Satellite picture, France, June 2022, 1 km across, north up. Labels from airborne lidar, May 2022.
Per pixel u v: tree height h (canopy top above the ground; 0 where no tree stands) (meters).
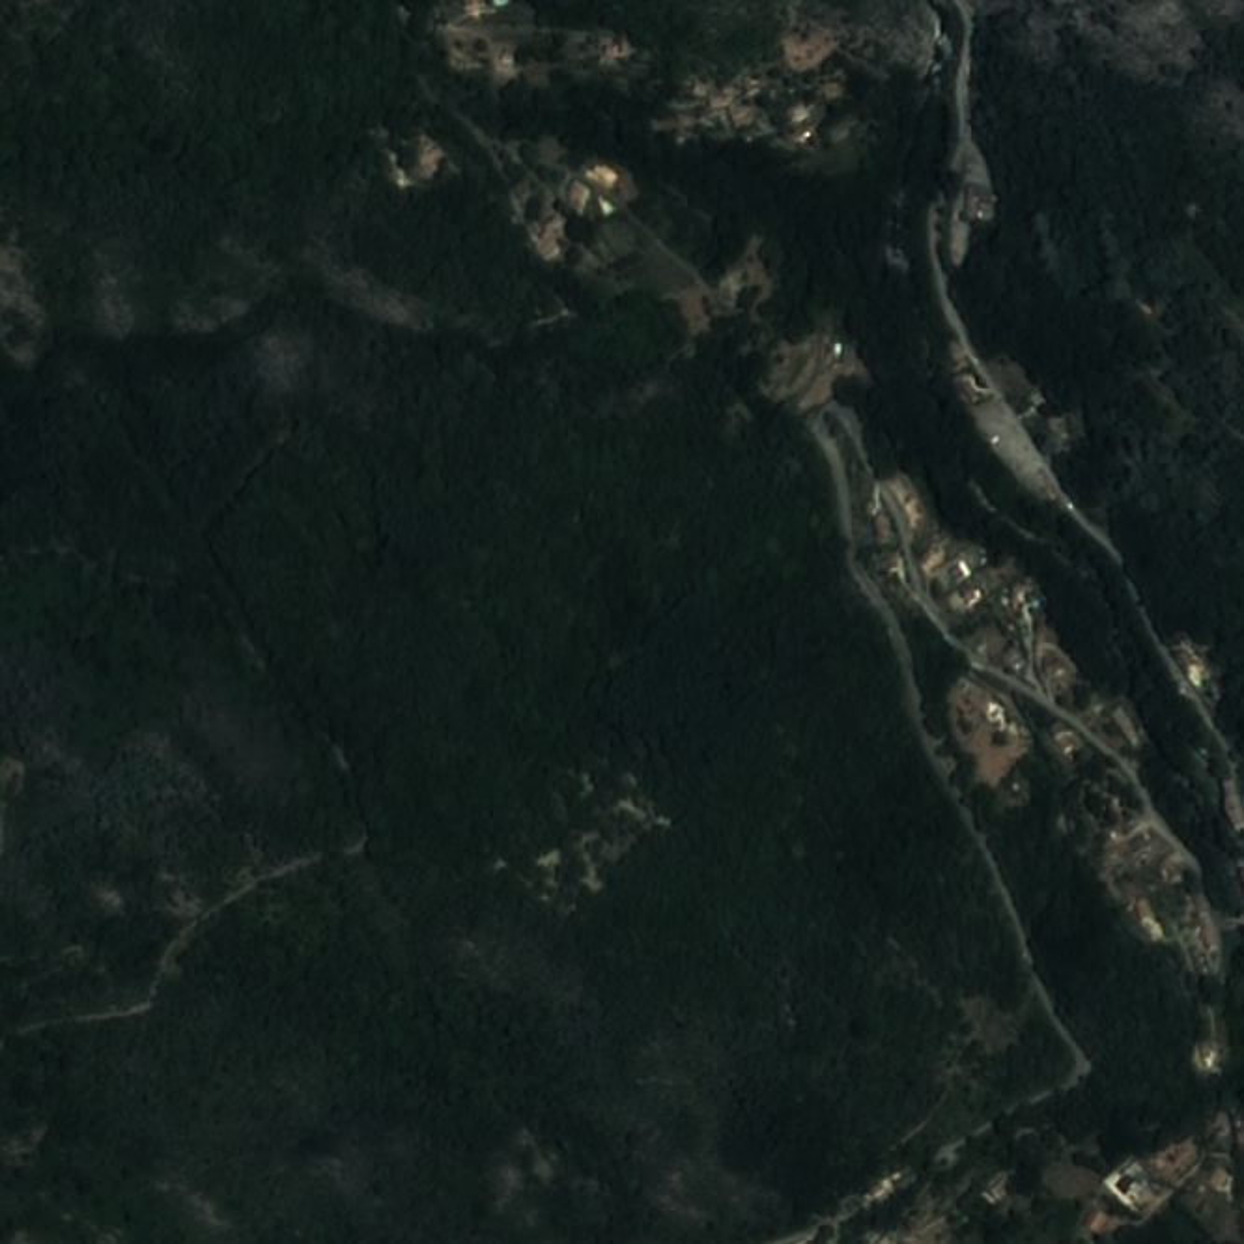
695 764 20
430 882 12
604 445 15
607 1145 8
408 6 18
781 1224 12
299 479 14
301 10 15
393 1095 13
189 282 10
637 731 32
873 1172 14
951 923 12
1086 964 14
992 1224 8
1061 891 14
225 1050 11
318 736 8
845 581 13
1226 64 23
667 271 0
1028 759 8
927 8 0
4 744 11
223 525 12
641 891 15
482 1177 7
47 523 17
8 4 8
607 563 12
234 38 10
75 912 18
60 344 16
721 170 26
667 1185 0
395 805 16
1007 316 13
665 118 10
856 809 14
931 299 10
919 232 13
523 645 21
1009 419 0
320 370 8
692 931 22
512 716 18
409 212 10
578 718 16
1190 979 14
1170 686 16
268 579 16
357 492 19
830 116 10
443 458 12
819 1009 19
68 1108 10
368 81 9
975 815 8
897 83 19
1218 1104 8
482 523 9
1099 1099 19
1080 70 6
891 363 27
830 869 17
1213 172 7
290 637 19
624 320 14
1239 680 19
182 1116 11
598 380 9
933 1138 7
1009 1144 9
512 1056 20
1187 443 8
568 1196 14
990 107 7
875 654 12
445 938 8
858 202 15
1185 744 13
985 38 6
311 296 6
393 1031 23
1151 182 18
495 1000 17
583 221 9
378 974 14
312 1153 9
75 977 8
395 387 14
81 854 11
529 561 14
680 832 16
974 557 0
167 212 13
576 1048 16
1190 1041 8
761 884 15
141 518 13
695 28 10
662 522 10
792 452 12
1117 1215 10
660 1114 12
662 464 17
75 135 15
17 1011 12
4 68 13
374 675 12
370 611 11
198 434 10
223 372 6
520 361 19
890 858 19
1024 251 18
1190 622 14
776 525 13
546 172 10
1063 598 23
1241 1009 6
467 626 13
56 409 11
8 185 12
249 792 8
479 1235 12
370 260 6
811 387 0
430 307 10
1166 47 0
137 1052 8
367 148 17
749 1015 19
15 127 12
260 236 8
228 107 13
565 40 8
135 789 16
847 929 7
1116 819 10
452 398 13
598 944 14
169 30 7
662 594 20
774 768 16
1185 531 11
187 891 7
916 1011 11
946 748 12
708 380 6
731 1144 14
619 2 12
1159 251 17
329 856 8
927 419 23
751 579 19
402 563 19
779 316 14
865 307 24
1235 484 9
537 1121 14
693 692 30
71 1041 9
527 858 7
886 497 0
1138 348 16
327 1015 10
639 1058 14
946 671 15
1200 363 19
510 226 17
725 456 21
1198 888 15
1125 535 13
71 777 8
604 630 13
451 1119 16
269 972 19
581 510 10
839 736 11
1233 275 15
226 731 0
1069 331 13
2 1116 7
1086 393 17
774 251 14
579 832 9
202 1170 10
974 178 0
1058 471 9
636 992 10
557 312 12
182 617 7
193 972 9
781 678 6
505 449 13
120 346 14
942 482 28
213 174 18
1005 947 13
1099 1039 12
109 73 14
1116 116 15
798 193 24
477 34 0
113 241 10
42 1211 6
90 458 10
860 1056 16
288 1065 11
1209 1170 7
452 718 18
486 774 18
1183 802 14
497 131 8
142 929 20
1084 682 6
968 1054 10
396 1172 10
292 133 17
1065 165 25
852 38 8
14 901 8
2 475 21
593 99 11
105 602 10
